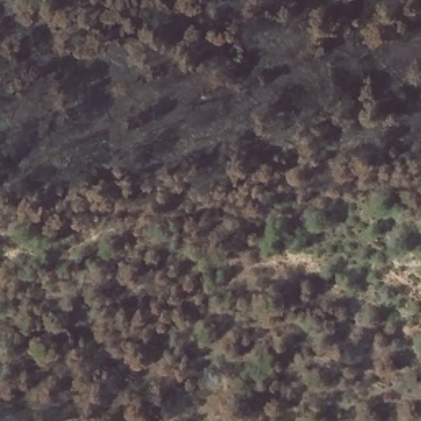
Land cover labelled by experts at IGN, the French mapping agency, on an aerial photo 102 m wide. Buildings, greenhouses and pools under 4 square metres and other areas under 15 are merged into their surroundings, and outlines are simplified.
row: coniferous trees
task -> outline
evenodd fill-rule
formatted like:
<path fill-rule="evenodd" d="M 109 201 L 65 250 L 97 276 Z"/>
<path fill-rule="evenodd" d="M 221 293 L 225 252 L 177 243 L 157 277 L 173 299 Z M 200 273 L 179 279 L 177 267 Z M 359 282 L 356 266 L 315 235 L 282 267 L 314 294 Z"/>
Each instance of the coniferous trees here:
<path fill-rule="evenodd" d="M 421 74 L 408 71 L 408 84 L 401 89 L 391 90 L 391 76 L 383 69 L 363 69 L 363 76 L 367 79 L 362 82 L 350 69 L 335 67 L 332 71 L 334 87 L 335 90 L 339 90 L 342 97 L 335 107 L 329 107 L 326 112 L 331 113 L 332 123 L 342 130 L 340 150 L 334 160 L 329 161 L 334 181 L 329 184 L 327 191 L 321 192 L 311 202 L 304 201 L 303 186 L 299 184 L 298 179 L 298 174 L 306 166 L 316 166 L 308 140 L 301 136 L 303 123 L 294 122 L 293 128 L 289 130 L 273 132 L 273 117 L 266 110 L 257 113 L 257 117 L 253 118 L 255 128 L 245 130 L 237 141 L 227 141 L 225 145 L 217 143 L 214 148 L 207 146 L 202 150 L 194 150 L 178 168 L 166 166 L 158 173 L 151 173 L 140 156 L 132 155 L 115 164 L 112 173 L 107 176 L 79 176 L 71 189 L 64 181 L 54 187 L 54 191 L 49 194 L 28 184 L 16 184 L 7 187 L 5 191 L 0 191 L 0 421 L 421 421 Z"/>
<path fill-rule="evenodd" d="M 54 51 L 58 51 L 59 56 L 74 56 L 81 61 L 100 59 L 107 62 L 115 53 L 117 41 L 118 44 L 127 46 L 130 66 L 135 67 L 151 86 L 173 86 L 179 79 L 206 79 L 215 90 L 230 90 L 242 100 L 250 97 L 258 86 L 266 89 L 268 82 L 275 81 L 276 77 L 283 74 L 289 74 L 289 66 L 263 69 L 258 64 L 260 56 L 258 49 L 253 48 L 253 41 L 257 41 L 263 31 L 270 30 L 273 26 L 288 35 L 288 38 L 298 46 L 301 56 L 322 56 L 324 51 L 331 53 L 344 44 L 345 30 L 359 31 L 368 48 L 377 51 L 385 51 L 390 43 L 400 43 L 401 36 L 413 31 L 418 31 L 421 35 L 421 0 L 0 0 L 0 94 L 8 94 L 12 99 L 21 100 L 35 117 L 38 117 L 39 136 L 51 136 L 56 127 L 71 128 L 76 122 L 77 117 L 69 105 L 67 95 L 59 86 L 58 79 L 46 76 L 41 67 L 23 61 L 28 41 L 23 38 L 31 33 L 35 26 L 41 25 L 48 25 L 54 39 Z"/>

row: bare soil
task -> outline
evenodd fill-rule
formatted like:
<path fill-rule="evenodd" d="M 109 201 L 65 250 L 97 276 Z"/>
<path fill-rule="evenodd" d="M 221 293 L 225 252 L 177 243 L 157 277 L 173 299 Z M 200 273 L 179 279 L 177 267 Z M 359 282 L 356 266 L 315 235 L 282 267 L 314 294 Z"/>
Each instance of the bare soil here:
<path fill-rule="evenodd" d="M 257 41 L 253 41 L 253 48 L 258 49 L 260 56 L 258 64 L 263 69 L 289 66 L 289 74 L 283 74 L 276 77 L 275 81 L 268 82 L 266 89 L 258 86 L 250 97 L 242 100 L 230 90 L 215 90 L 206 79 L 179 79 L 173 86 L 151 86 L 135 67 L 130 66 L 127 46 L 118 44 L 117 41 L 115 53 L 107 62 L 100 59 L 81 61 L 74 56 L 59 56 L 58 51 L 54 51 L 54 39 L 48 25 L 41 25 L 35 26 L 31 33 L 23 38 L 28 41 L 23 61 L 41 67 L 46 76 L 58 79 L 59 86 L 67 95 L 69 105 L 77 117 L 76 122 L 71 128 L 56 127 L 51 136 L 39 136 L 38 117 L 35 117 L 21 100 L 12 99 L 8 94 L 0 94 L 0 191 L 5 191 L 7 187 L 16 184 L 28 184 L 49 194 L 54 191 L 54 187 L 64 181 L 71 189 L 79 176 L 107 176 L 112 173 L 115 164 L 132 155 L 140 156 L 151 173 L 158 173 L 166 166 L 178 168 L 194 150 L 202 150 L 207 146 L 214 148 L 217 143 L 225 145 L 227 141 L 237 141 L 245 130 L 255 128 L 253 118 L 257 117 L 257 113 L 266 110 L 273 117 L 273 132 L 289 130 L 293 128 L 294 122 L 303 123 L 301 136 L 308 140 L 316 166 L 306 166 L 298 174 L 298 179 L 299 184 L 303 186 L 304 201 L 311 202 L 321 192 L 327 191 L 329 184 L 334 181 L 329 161 L 334 160 L 340 150 L 342 130 L 332 123 L 331 113 L 326 112 L 329 107 L 335 107 L 342 97 L 339 90 L 335 90 L 334 87 L 332 71 L 335 67 L 350 69 L 362 82 L 367 79 L 363 76 L 363 69 L 383 69 L 391 76 L 391 90 L 401 89 L 408 84 L 408 71 L 421 74 L 421 35 L 418 31 L 413 31 L 401 36 L 400 43 L 390 43 L 385 51 L 377 51 L 368 48 L 359 31 L 345 30 L 344 44 L 331 53 L 324 51 L 322 56 L 301 56 L 298 46 L 288 38 L 288 35 L 273 26 L 270 30 L 263 31 Z"/>

